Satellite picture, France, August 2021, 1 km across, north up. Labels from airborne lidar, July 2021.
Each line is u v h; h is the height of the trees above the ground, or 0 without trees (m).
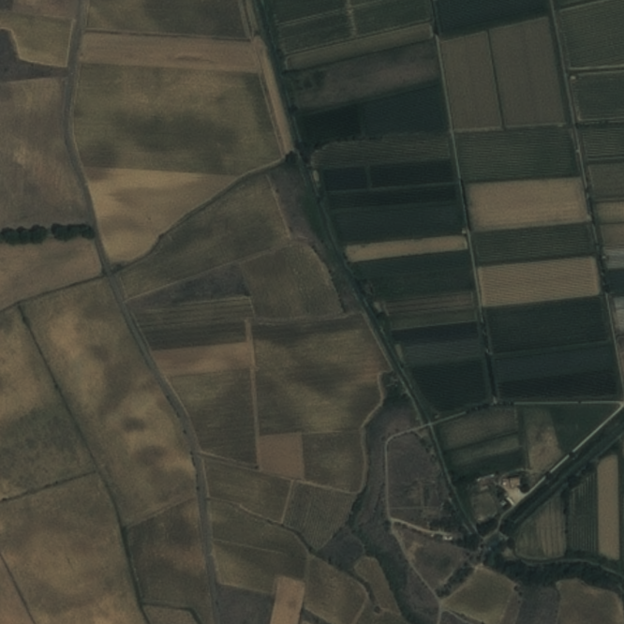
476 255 0
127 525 0
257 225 0
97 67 0
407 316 0
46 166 0
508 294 0
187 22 0
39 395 0
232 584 0
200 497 0
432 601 0
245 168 0
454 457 0
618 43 0
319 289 0
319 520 0
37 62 0
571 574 14
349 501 0
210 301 0
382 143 0
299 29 0
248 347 0
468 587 0
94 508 0
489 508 0
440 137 0
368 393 0
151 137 0
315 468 0
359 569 0
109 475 0
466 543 12
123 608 0
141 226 0
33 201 0
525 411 0
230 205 0
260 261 0
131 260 0
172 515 0
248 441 0
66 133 0
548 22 0
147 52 0
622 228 0
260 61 0
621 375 0
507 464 0
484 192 0
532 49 0
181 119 0
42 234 20
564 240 0
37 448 0
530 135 0
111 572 0
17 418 0
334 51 0
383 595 0
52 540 0
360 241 0
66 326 0
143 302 0
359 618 0
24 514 0
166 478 0
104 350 0
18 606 0
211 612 0
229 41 0
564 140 0
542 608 0
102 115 0
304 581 0
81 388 0
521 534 0
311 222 0
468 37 0
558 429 0
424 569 0
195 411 0
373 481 0
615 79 0
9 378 0
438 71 0
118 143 0
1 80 0
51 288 0
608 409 0
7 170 0
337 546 0
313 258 0
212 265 0
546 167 0
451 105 0
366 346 0
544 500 0
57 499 0
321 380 0
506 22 0
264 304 0
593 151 0
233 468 0
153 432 0
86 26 0
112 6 0
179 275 0
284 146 0
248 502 0
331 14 0
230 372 0
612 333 0
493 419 0
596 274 0
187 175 0
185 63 0
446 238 0
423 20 0
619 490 0
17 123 0
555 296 0
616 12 0
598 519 0
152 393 0
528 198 0
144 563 0
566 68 0
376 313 14
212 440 0
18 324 0
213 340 0
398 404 0
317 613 0
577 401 0
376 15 0
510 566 15
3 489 0
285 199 0
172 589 0
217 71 0
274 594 0
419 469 0
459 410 0
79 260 0
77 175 0
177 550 0
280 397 0
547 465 0
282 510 0
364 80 0
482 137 0
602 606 0
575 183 0
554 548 0
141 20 0
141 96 0
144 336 0
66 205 0
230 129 0
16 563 0
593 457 0
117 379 0
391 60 0
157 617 0
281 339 0
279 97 0
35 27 0
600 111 0
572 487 9
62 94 0
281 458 0
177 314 0
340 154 0
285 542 0
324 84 0
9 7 0
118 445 0
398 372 0
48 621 0
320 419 0
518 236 0
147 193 0
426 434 0
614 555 0
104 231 0
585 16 0
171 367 0
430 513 0
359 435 0
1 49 0
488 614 0
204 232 0
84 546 0
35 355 0
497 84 0
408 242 0
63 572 0
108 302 0
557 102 0
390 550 0
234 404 0
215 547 0
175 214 0
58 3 0
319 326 0
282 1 0
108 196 0
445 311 0
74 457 0
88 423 0
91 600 0
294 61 0
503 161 0
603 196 0
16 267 0
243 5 0
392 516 0
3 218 0
